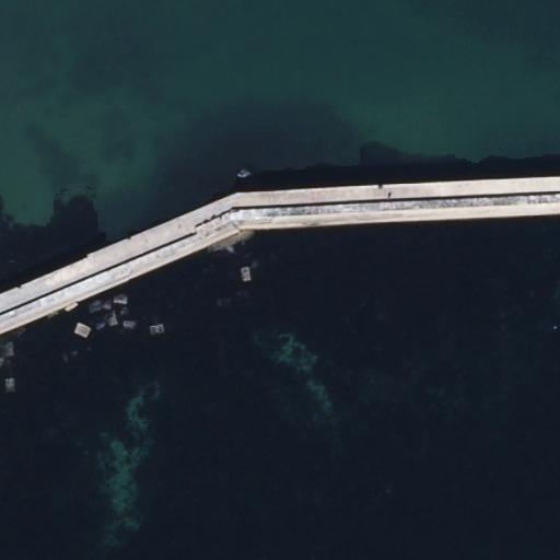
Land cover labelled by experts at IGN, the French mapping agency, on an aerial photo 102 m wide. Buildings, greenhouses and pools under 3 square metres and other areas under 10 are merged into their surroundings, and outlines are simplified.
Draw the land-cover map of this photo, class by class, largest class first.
<instances>
[{"label":"water","instance_id":"1","mask_svg":"<svg viewBox=\"0 0 560 560\"><path fill-rule=\"evenodd\" d=\"M560 177V0H0V293L22 287L57 269H63L72 263H79L92 252L131 238L140 232L158 228L166 221H173L182 214H188L234 193L466 179ZM0 560H560V214L252 230L245 238L234 241L232 249L210 245L164 267L131 278L118 287L90 295L70 311H57L53 315L39 317L31 324H24L0 335Z\"/></svg>","mask_w":560,"mask_h":560},{"label":"impervious surface","instance_id":"2","mask_svg":"<svg viewBox=\"0 0 560 560\"><path fill-rule=\"evenodd\" d=\"M560 214V177L466 179L234 193L188 214H182L173 221H166L158 228L140 232L131 238L92 252L79 263H72L63 269H57L22 287L0 293V335L24 324H31L39 317L53 315L57 311H70L90 295L118 287L131 278L164 267L210 245L232 249L234 241L245 238L252 230Z\"/></svg>","mask_w":560,"mask_h":560}]
</instances>
